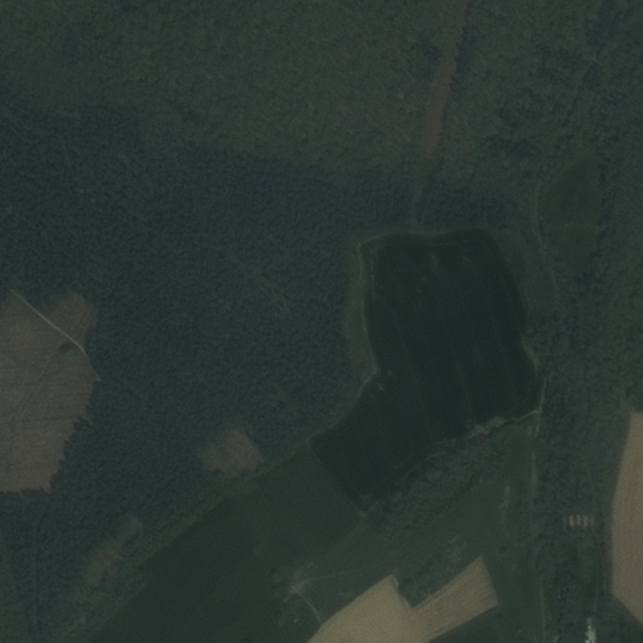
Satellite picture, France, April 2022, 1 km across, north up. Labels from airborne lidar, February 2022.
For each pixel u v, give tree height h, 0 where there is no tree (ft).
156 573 0
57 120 77
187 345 108
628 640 0
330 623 0
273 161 71
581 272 0
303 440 64
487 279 0
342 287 94
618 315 97
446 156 80
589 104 77
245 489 65
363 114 85
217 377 86
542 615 0
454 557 0
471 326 0
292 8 102
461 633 0
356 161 84
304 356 110
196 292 106
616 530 0
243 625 0
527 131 91
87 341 0
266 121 83
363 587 0
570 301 76
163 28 96
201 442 103
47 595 101
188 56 91
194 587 0
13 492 0
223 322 91
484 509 0
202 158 110
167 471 89
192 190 103
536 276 0
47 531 103
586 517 0
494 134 88
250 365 70
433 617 0
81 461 108
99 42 67
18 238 97
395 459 0
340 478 0
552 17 81
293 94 94
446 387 0
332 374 114
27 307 0
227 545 0
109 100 86
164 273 107
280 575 49
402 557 0
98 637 0
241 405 91
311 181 82
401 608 0
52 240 95
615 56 67
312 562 0
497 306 0
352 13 92
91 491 91
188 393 93
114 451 91
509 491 0
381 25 94
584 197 0
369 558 0
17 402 0
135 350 102
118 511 93
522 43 96
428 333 0
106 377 90
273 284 110
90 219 112
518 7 97
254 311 100
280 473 0
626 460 0
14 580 66
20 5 83
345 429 0
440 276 0
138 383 103
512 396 0
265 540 0
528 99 84
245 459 0
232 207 103
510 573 0
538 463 42
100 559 0
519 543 20
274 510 0
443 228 70
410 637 0
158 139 67
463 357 0
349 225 86
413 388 0
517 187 72
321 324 95
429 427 0
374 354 0
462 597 0
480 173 78
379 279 0
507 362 0
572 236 0
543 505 72
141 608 0
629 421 0
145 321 95
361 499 0
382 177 82
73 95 88
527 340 0
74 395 0
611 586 0
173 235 105
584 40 71
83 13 84
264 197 83
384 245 0
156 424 95
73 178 121
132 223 112
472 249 0
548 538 43
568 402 69
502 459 55
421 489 93
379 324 0
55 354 0
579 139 84
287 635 0
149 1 80
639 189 82
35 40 84
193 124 71
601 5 85
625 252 82
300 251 93
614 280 85
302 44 92
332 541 0
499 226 77
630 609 0
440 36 83
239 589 0
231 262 83
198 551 0
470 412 0
